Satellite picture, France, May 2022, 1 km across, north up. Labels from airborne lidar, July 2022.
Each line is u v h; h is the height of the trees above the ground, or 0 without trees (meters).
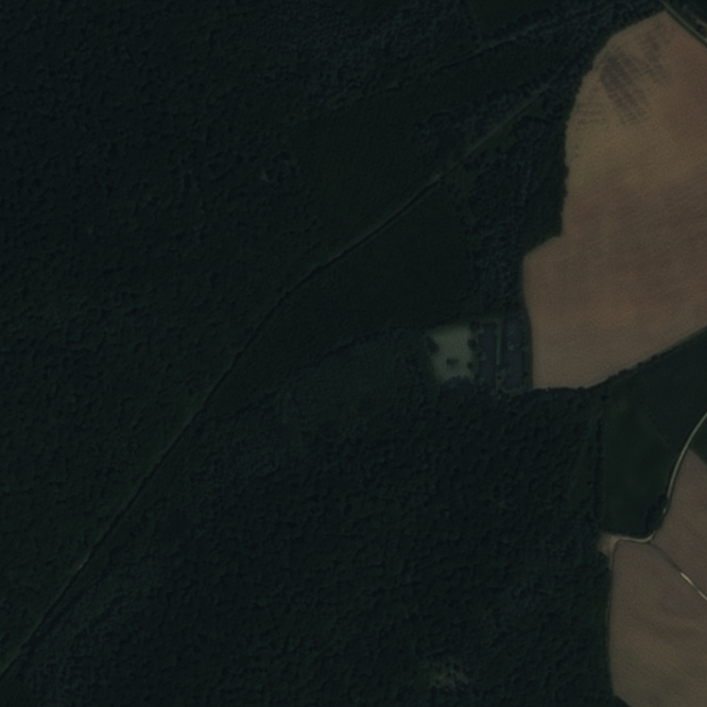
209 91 23
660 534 0
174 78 25
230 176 25
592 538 30
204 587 26
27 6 29
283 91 23
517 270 19
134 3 25
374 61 21
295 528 28
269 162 28
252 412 22
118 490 18
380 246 9
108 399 22
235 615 28
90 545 15
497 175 18
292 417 27
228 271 25
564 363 0
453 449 23
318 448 22
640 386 0
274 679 21
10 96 22
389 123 13
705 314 0
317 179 11
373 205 10
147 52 20
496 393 21
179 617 26
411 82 16
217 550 21
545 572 24
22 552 23
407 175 11
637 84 0
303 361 14
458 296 10
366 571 27
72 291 23
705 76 0
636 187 0
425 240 9
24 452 27
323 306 15
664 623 0
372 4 22
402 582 27
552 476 24
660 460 0
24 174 21
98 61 21
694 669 0
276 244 20
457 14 21
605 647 15
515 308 17
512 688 24
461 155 22
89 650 23
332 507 24
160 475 10
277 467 22
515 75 13
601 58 0
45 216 21
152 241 23
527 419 24
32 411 24
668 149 0
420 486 16
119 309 24
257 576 25
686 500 0
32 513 23
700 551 0
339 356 26
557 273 0
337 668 25
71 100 22
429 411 22
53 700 26
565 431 25
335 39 25
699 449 0
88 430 27
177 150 25
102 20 30
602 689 18
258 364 14
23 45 27
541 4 8
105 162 22
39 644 29
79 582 11
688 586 0
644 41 0
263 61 24
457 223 7
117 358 24
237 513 27
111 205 24
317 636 23
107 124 21
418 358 24
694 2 0
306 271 18
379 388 25
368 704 20
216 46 27
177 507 13
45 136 20
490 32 9
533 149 26
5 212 23
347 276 10
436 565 22
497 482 19
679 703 0
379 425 29
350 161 11
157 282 24
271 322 14
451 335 0
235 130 24
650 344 0
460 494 28
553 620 29
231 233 25
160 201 22
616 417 0
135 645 23
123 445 20
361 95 16
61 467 24
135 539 28
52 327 21
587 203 0
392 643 24
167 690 28
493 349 0
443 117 20
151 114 25
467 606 27
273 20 23
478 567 22
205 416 13
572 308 0
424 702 14
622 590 0
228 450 7
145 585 26
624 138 0
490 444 26
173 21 25
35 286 22
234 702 25
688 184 0
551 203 22
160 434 20
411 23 24
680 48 0
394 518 24
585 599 19
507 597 26
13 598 26
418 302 11
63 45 24
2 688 10
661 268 0
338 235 12
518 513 23
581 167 0
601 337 0
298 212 21
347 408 28
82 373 26
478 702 13
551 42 10
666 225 0
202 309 29
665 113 0
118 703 21
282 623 27
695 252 0
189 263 24
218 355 21
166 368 18
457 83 14
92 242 22
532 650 20
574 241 0
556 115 13
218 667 26
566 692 23
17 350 23
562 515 18
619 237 0
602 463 9
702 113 0
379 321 10
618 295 0
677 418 0
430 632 22
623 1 31
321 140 12
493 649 27
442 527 24
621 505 0
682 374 0
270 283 22
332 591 25
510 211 23
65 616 19
